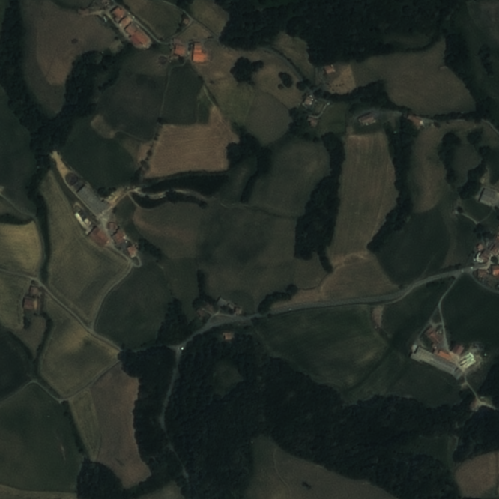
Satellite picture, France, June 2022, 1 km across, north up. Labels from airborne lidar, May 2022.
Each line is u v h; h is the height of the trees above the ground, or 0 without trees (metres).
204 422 18
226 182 6
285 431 28
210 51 0
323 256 14
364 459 8
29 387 0
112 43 0
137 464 0
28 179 0
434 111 0
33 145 18
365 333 0
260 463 0
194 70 0
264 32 23
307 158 0
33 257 0
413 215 0
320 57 21
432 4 22
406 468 18
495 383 16
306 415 29
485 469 0
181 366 13
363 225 0
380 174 0
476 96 10
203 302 13
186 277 0
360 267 0
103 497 25
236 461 18
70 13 0
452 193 0
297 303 0
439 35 8
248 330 16
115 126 0
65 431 0
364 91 18
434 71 0
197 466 26
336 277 0
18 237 0
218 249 0
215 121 0
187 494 21
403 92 0
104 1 0
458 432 17
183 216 0
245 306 0
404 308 0
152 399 23
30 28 0
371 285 0
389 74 0
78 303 0
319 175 0
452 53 22
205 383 20
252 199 0
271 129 0
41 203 10
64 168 0
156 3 0
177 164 0
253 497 0
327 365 0
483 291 0
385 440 10
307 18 22
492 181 0
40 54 0
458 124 0
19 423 0
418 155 0
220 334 17
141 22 0
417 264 0
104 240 0
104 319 0
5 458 0
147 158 6
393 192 0
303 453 22
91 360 0
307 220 15
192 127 0
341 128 0
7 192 0
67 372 0
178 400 18
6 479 0
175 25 0
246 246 0
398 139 14
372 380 0
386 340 0
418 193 0
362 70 0
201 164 0
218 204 0
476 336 0
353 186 0
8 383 0
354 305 0
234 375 0
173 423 15
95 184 0
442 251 0
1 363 0
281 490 0
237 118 0
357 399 0
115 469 0
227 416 20
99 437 0
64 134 17
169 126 0
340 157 20
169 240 0
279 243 0
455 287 0
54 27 0
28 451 0
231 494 18
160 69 0
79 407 0
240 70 21
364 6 14
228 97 0
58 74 0
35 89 0
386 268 0
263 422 20
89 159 0
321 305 0
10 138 0
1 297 0
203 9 0
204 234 0
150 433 36
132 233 0
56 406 0
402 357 0
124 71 0
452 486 27
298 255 11
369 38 26
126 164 0
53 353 0
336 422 28
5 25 18
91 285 0
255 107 0
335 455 21
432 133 0
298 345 0
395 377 0
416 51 8
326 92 9
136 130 0
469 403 9
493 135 0
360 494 0
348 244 0
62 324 0
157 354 28
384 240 18
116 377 0
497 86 0
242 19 15
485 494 0
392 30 20
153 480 17
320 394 26
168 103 0
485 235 11
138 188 0
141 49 0
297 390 23
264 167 14
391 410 28
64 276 0
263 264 0
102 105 0
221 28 0
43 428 0
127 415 0
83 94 18
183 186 8
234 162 15
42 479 0
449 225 0
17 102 18
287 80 16
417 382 0
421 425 25
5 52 11
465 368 0
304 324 0
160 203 11
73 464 0
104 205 0
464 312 0
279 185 0
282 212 0
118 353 0
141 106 0
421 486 26
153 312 0
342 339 0
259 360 27
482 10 0
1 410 0
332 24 22
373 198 0
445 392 0
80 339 0
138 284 0
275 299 18
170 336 24
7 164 0
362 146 0
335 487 0
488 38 0
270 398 24
